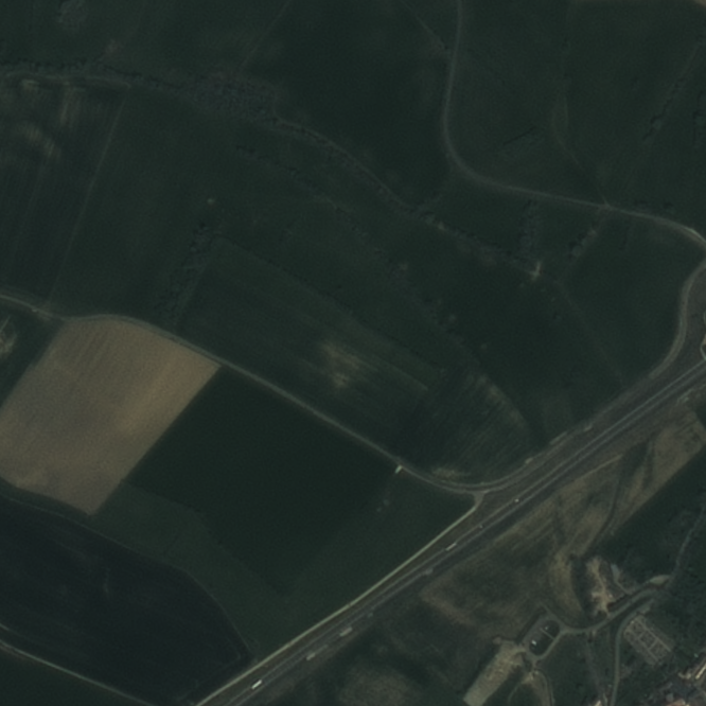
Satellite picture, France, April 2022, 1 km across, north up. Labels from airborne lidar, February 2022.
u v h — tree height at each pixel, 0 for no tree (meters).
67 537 0
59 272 0
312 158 0
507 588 0
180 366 0
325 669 0
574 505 0
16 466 0
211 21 0
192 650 0
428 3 0
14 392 0
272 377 0
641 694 0
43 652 0
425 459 0
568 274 0
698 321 0
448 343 0
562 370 0
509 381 0
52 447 0
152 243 0
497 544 0
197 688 0
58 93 0
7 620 0
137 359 0
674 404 0
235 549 0
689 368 0
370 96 0
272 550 0
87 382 0
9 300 0
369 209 0
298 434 0
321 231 0
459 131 0
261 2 0
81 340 0
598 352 0
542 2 0
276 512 0
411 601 0
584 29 0
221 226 0
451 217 0
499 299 0
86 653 0
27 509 0
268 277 0
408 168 0
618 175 0
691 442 0
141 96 0
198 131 0
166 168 0
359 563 0
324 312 0
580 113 0
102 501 0
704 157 0
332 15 0
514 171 0
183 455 0
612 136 0
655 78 0
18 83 0
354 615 0
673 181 0
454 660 0
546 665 0
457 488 0
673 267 0
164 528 0
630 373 0
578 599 0
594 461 0
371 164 0
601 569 0
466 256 0
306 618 0
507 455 0
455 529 0
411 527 0
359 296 0
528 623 0
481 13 0
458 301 0
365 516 0
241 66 0
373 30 0
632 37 0
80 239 0
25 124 0
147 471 0
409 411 0
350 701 0
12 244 0
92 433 0
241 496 0
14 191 0
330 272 0
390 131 0
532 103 0
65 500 0
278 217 0
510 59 0
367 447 0
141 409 0
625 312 0
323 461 0
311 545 0
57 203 0
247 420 0
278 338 0
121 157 0
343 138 0
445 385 0
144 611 0
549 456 0
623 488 0
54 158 0
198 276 7
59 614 0
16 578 0
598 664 0
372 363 0
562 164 0
